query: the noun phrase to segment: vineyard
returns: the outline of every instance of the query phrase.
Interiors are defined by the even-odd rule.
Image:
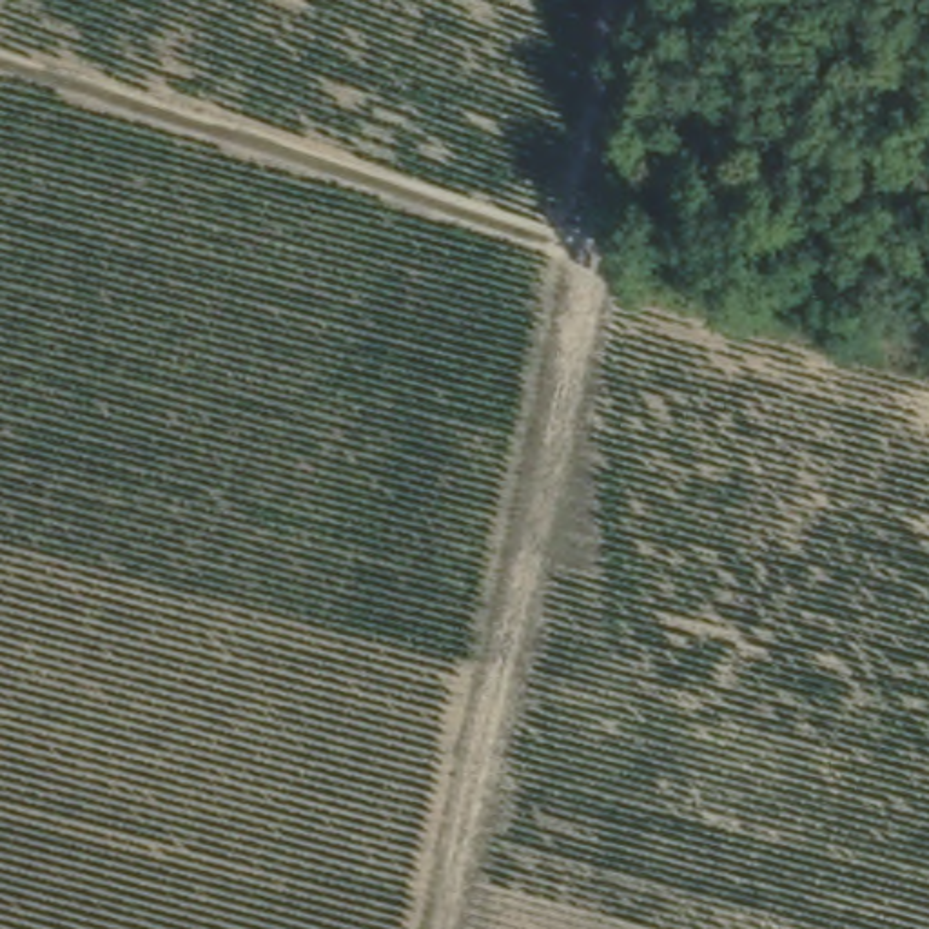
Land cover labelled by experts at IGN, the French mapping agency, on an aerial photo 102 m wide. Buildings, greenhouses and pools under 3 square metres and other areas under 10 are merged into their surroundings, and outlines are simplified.
[[[773,319],[751,319],[744,312],[733,312],[729,305],[704,305],[697,312],[679,290],[668,290],[660,279],[653,279],[653,272],[617,276],[610,218],[624,207],[624,196],[635,181],[621,174],[610,152],[613,134],[621,131],[624,105],[613,102],[613,83],[606,80],[606,51],[613,22],[628,0],[0,0],[0,929],[929,929],[929,356],[911,352],[907,337],[904,348],[885,348],[882,363],[846,370],[820,356],[802,334],[791,334]]]

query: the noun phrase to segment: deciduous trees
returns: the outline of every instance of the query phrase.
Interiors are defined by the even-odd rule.
[[[751,319],[773,319],[791,334],[802,334],[820,356],[846,370],[882,363],[885,348],[904,348],[907,337],[911,352],[929,356],[929,0],[628,0],[613,22],[606,51],[606,80],[613,83],[613,102],[624,105],[621,131],[613,134],[610,152],[621,174],[635,181],[624,196],[624,207],[610,218],[617,276],[653,272],[653,279],[660,279],[668,290],[679,290],[697,312],[704,305],[729,305],[733,312],[744,312]]]

